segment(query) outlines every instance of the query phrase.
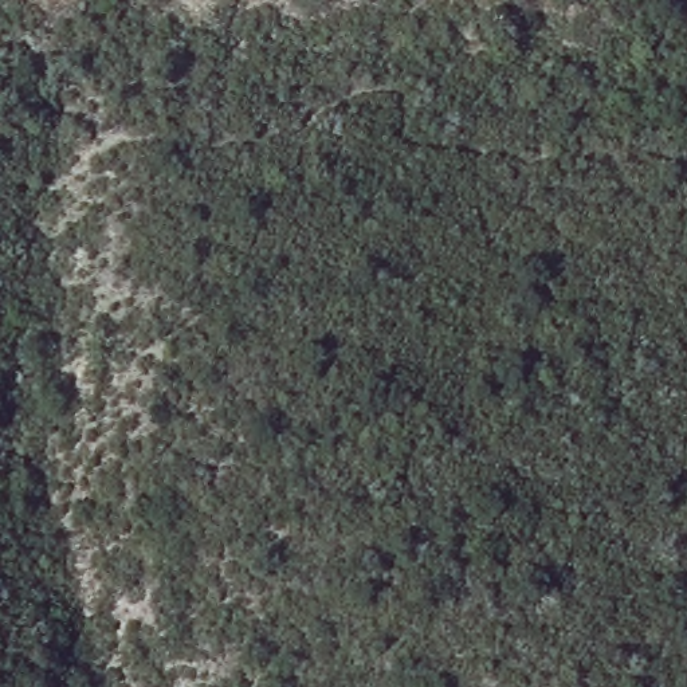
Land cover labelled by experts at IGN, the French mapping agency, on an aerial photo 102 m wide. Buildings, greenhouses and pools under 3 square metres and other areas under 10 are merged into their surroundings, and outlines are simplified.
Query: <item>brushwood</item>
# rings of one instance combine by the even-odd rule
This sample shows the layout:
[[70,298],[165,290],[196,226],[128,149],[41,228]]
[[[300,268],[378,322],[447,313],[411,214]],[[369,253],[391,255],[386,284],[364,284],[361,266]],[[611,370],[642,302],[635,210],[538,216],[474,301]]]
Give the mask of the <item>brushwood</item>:
[[687,0],[0,0],[0,687],[687,687]]

